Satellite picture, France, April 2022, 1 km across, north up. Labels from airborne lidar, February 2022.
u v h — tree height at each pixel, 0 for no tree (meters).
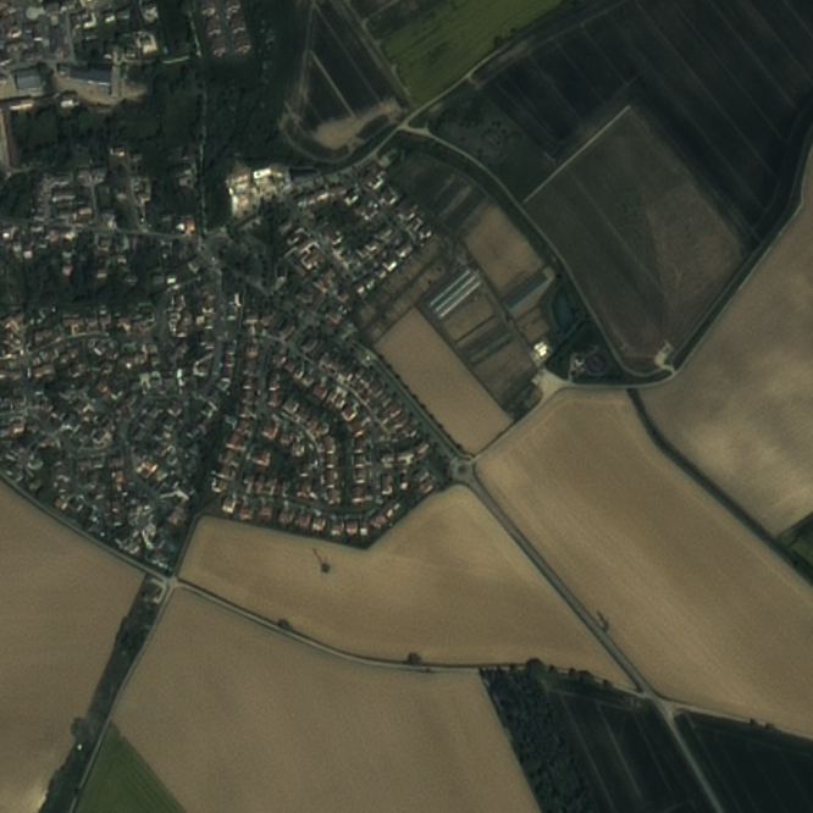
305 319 0
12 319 0
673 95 0
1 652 0
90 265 14
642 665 0
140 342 0
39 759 0
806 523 0
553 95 0
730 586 0
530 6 0
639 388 0
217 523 0
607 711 0
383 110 0
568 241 0
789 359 0
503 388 0
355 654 0
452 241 0
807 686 0
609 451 0
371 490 6
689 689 0
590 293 0
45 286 7
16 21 0
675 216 0
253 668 0
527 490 0
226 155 15
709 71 0
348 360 7
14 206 10
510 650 0
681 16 0
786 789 0
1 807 0
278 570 0
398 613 0
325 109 0
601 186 0
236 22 0
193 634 0
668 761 0
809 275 0
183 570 0
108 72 0
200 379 6
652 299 0
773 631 0
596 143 0
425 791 0
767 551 0
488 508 0
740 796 0
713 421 0
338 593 0
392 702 0
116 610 0
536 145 0
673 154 0
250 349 0
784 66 0
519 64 0
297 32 0
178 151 0
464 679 0
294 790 0
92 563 0
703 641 0
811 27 0
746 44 0
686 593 0
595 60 0
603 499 0
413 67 0
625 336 0
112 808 0
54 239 0
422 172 0
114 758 0
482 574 0
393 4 0
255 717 0
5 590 0
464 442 0
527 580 0
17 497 0
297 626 0
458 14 0
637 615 0
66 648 0
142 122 0
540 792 11
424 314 0
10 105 0
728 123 0
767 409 0
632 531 0
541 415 0
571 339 8
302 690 0
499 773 0
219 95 6
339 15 0
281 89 0
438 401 0
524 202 0
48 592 0
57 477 0
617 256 0
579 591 0
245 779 0
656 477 0
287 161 6
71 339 0
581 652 0
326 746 0
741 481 0
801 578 0
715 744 0
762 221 0
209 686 0
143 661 0
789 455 0
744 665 0
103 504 0
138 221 0
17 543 0
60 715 0
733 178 0
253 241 0
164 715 0
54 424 7
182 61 0
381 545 0
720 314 0
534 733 18
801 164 0
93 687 0
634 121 0
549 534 0
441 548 0
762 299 0
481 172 0
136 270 8
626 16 0
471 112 0
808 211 0
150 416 0
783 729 0
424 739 0
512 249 0
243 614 0
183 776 0
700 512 0
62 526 0
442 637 0
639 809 0
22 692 0
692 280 0
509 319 0
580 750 0
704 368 0
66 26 0
